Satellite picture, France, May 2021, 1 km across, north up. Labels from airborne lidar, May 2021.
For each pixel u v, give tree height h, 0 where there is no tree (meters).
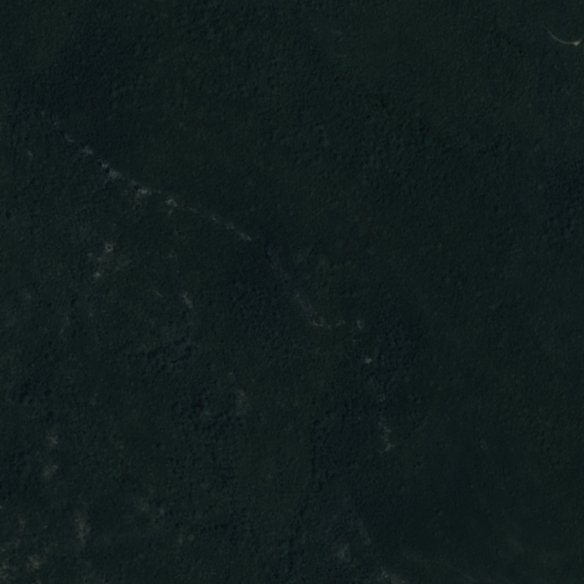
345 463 14
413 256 8
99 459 7
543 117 7
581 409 8
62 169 12
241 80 8
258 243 11
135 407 6
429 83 8
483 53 11
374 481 9
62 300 10
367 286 9
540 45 9
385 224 7
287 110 8
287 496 12
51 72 8
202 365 8
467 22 9
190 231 9
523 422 8
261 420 17
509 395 6
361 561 6
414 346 12
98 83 7
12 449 7
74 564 7
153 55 6
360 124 12
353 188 8
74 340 8
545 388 6
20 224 8
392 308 9
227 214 11
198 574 9
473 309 9
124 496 5
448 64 8
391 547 7
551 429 8
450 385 6
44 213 8
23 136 14
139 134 6
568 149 10
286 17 7
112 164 6
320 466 23
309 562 7
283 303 12
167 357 21
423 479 5
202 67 7
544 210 9
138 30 6
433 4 6
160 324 9
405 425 7
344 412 7
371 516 10
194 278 9
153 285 6
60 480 10
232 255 9
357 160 11
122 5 5
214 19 11
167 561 6
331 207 9
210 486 10
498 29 11
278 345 9
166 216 11
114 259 7
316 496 12
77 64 12
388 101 17
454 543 5
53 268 9
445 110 6
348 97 13
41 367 8
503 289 7
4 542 8
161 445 21
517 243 7
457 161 9
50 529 7
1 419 9
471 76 6
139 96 7
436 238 10
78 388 10
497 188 12
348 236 9
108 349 10
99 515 11
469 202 9
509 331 7
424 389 7
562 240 8
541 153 8
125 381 6
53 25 8
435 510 6
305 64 9
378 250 6
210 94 11
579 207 10
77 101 9
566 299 6
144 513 6
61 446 7
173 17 10
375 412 6
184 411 22
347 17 7
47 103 9
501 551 7
